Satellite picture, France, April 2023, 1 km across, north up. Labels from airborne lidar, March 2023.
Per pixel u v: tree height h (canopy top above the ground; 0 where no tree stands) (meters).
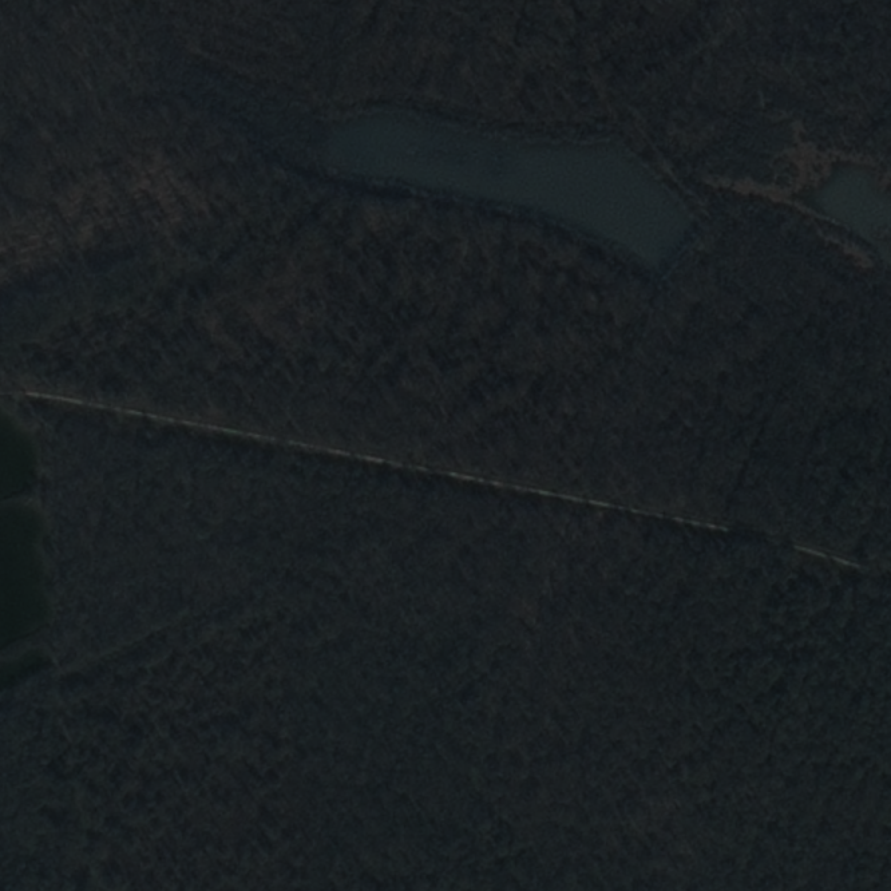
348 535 23
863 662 24
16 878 27
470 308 30
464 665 22
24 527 0
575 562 24
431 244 20
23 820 23
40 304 26
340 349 28
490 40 18
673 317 22
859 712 24
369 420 26
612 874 25
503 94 24
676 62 26
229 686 14
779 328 26
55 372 23
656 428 20
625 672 26
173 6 6
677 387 24
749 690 23
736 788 22
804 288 25
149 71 21
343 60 21
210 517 21
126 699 23
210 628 20
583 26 26
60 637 18
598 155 0
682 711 26
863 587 27
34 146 27
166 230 31
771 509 18
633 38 26
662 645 27
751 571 27
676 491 20
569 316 26
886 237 0
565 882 29
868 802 28
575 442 22
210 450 24
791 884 22
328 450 16
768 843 26
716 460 23
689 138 19
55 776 21
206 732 28
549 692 28
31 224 28
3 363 19
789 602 23
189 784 27
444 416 26
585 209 0
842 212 0
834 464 22
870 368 23
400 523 27
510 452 24
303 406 25
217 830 20
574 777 26
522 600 32
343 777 18
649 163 15
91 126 26
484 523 21
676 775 27
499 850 29
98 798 30
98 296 29
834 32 29
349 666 29
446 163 0
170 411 26
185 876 23
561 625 26
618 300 26
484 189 0
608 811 28
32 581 0
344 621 28
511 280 25
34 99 26
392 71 21
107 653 13
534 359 30
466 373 25
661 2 30
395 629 26
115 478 26
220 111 18
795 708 21
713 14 27
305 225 25
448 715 28
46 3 26
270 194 30
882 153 17
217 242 14
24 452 0
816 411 21
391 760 29
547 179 0
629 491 24
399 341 27
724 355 24
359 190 18
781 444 19
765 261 22
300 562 25
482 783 27
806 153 0
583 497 20
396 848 31
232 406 26
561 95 24
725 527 0
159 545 29
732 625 24
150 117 24
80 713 20
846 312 19
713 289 18
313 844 27
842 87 21
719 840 27
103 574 18
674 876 25
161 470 23
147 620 29
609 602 26
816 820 22
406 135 0
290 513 26
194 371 22
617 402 18
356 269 25
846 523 20
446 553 25
